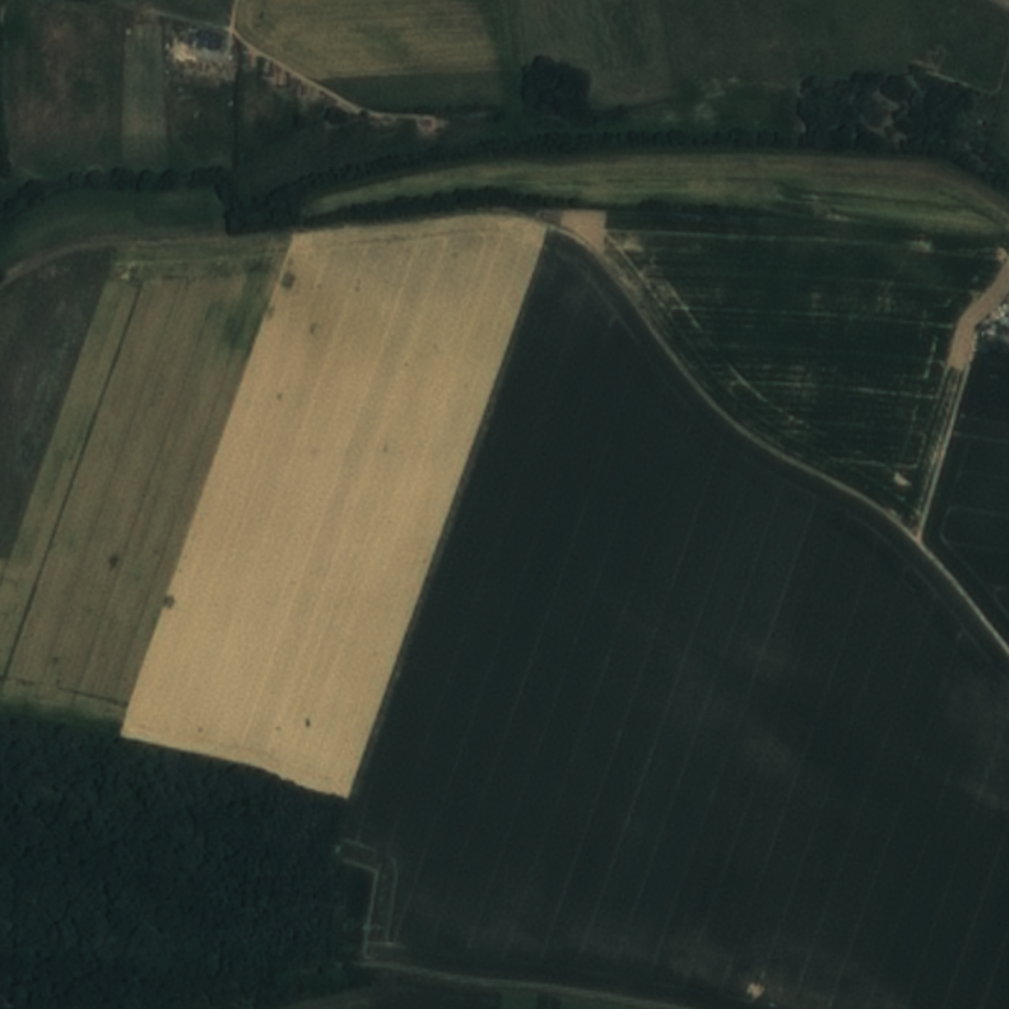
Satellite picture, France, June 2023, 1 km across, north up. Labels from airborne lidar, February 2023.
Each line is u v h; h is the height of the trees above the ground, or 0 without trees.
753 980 0
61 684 0
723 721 0
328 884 10
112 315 0
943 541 0
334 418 0
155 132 0
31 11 0
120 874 25
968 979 0
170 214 0
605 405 0
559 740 0
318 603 0
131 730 0
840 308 0
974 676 0
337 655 0
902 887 0
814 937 0
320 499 0
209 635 0
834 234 0
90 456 0
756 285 0
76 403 0
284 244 0
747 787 0
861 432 0
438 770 0
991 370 0
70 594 0
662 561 0
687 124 0
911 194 0
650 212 8
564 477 0
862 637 0
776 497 0
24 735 24
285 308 0
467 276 0
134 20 0
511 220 0
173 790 23
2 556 0
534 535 0
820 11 0
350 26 0
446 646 0
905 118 12
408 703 0
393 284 0
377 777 0
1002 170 9
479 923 0
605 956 0
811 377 0
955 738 0
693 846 0
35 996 26
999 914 0
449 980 0
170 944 22
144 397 0
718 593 0
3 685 0
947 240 0
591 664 0
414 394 0
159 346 0
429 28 0
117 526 0
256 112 0
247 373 0
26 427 0
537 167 0
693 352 0
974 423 0
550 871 0
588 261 0
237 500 0
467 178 0
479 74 0
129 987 21
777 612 0
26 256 0
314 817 7
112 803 26
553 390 0
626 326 0
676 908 0
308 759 0
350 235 0
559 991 0
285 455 0
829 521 0
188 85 0
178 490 0
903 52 0
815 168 0
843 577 0
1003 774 0
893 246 0
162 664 0
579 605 0
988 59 0
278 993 9
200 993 21
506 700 0
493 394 0
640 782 0
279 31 0
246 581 0
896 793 0
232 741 0
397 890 0
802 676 0
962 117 12
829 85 17
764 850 0
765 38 0
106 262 0
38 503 0
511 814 0
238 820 19
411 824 0
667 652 0
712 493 0
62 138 0
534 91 6
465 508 0
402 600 0
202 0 0
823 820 0
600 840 0
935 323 0
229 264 0
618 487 0
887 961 0
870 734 0
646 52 0
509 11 0
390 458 0
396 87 0
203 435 0
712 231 0
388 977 0
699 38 0
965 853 0
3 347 0
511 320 0
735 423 0
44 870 22
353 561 0
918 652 0
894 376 0
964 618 0
